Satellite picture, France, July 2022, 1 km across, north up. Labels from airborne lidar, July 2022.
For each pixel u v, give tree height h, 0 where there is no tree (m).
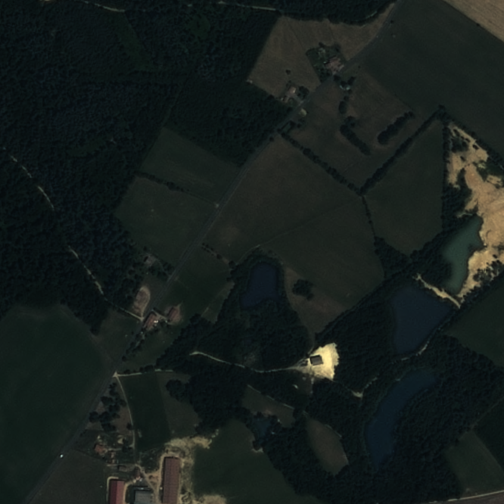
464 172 13
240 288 11
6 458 0
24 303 7
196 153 0
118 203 10
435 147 0
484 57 0
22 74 20
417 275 14
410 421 11
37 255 24
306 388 0
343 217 0
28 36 16
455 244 0
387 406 0
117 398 10
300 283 6
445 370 6
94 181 7
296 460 23
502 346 0
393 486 18
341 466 0
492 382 12
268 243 0
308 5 22
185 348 16
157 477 0
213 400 25
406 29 0
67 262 25
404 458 26
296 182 0
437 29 0
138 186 0
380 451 0
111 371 0
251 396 0
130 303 9
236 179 0
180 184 0
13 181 17
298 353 14
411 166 0
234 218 0
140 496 0
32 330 0
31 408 0
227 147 8
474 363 10
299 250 0
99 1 10
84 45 14
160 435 0
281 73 0
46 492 0
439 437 11
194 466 0
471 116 0
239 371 14
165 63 22
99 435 0
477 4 0
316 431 0
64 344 0
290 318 11
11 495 0
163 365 16
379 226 0
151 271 6
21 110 22
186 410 0
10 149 18
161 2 11
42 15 14
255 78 0
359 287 0
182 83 6
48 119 28
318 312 0
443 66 0
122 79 6
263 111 9
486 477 0
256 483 0
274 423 19
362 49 0
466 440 0
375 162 0
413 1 0
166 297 0
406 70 0
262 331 19
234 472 0
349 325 18
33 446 0
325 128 0
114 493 0
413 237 0
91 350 0
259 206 0
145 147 11
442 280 17
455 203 12
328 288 0
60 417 0
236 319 7
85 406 0
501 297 0
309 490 23
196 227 0
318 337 16
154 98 21
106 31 11
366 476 25
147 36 23
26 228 25
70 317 0
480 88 0
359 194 10
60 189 21
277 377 18
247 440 0
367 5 8
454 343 22
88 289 10
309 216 0
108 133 17
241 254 0
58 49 19
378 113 0
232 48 19
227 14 14
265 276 0
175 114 7
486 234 0
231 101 7
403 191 0
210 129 9
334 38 0
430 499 20
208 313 0
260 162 0
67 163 25
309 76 0
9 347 0
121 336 0
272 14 7
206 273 0
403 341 0
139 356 0
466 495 0
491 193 0
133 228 0
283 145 0
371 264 0
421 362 13
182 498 0
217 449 0
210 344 9
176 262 0
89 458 0
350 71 0
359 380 15
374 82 0
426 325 0
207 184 0
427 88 0
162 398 0
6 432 0
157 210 0
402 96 0
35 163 12
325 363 0
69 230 19
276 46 0
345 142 0
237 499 0
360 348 14
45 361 0
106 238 29
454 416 21
